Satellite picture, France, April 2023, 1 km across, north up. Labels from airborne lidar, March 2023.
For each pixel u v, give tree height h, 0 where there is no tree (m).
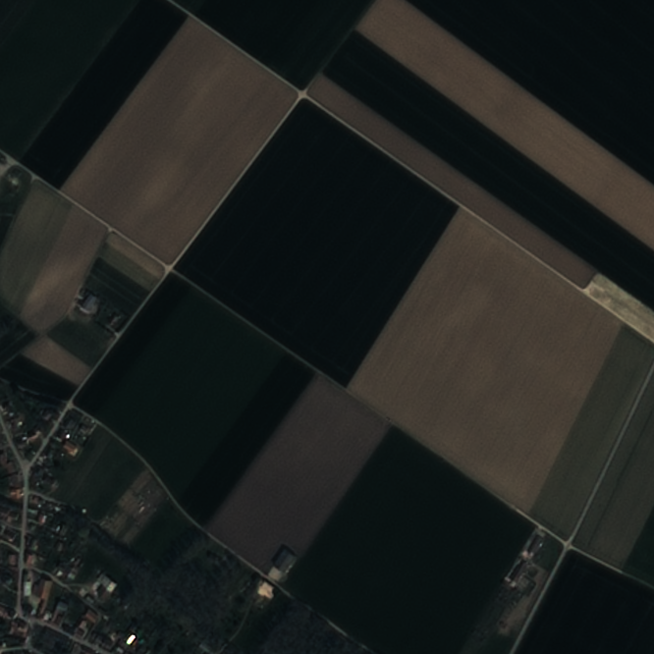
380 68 0
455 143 0
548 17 0
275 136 0
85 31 0
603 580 0
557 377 0
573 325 0
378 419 0
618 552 0
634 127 0
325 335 0
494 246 0
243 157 0
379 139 0
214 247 0
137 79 0
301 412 0
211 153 0
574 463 0
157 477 0
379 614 0
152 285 0
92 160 0
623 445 0
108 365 0
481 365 0
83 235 0
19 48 0
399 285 0
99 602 0
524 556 0
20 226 0
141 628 6
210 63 0
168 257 0
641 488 0
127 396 0
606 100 0
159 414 0
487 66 0
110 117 0
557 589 0
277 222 0
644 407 0
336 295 0
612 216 0
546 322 0
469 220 0
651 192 0
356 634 0
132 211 0
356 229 0
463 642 0
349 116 0
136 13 0
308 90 0
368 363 0
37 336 0
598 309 0
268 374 0
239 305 0
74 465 0
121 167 0
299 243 0
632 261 0
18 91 0
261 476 0
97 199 0
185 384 0
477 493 0
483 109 0
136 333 0
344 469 0
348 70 0
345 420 0
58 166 0
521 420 0
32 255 0
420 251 0
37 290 0
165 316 0
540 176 0
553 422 0
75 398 0
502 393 0
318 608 0
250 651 0
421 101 0
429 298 0
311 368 0
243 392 0
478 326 0
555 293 0
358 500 0
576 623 0
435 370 0
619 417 0
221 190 0
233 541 0
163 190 0
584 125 0
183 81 0
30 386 0
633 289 0
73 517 21
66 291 0
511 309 0
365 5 0
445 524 0
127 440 0
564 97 0
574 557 0
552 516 0
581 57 0
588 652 0
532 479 0
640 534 0
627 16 0
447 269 0
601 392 0
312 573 0
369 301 0
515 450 0
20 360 0
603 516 0
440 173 0
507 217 0
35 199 0
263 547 0
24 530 0
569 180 0
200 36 0
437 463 0
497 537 0
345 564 0
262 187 0
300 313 0
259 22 0
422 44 0
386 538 0
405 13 0
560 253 0
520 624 0
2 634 10
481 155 0
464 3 0
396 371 0
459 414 0
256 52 0
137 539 0
